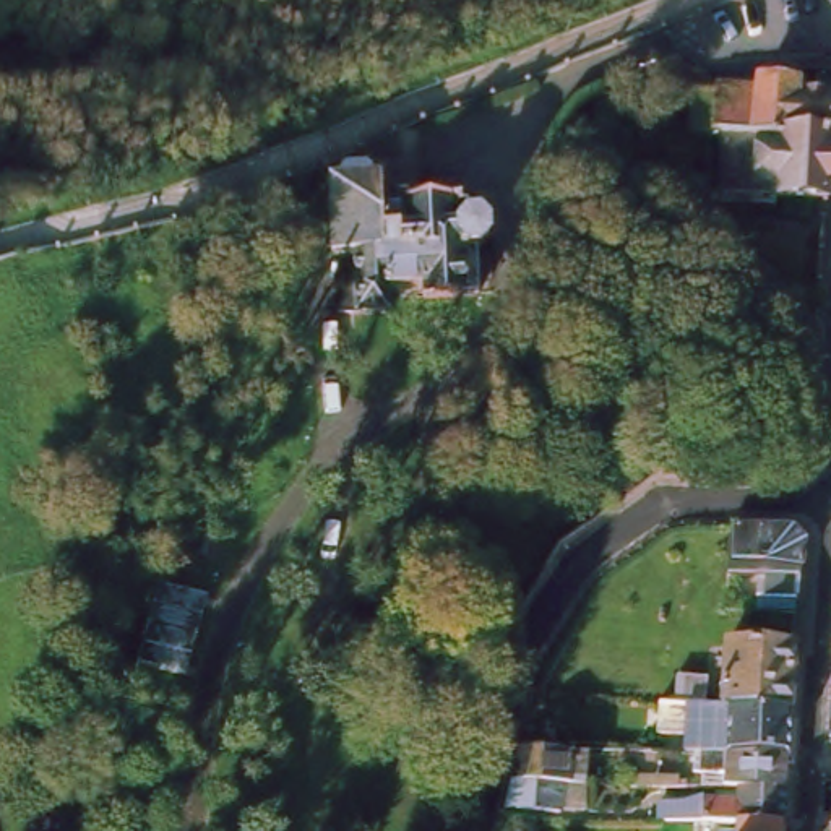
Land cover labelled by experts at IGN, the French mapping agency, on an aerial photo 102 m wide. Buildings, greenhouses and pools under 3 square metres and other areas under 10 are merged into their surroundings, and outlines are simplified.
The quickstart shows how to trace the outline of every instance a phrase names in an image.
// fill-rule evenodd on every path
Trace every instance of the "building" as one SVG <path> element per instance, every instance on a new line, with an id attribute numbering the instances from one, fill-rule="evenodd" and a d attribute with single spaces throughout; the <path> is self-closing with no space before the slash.
<path id="1" fill-rule="evenodd" d="M 782 601 L 799 601 L 808 536 L 795 519 L 734 519 L 730 526 L 730 536 L 724 539 L 727 568 L 750 575 L 753 594 L 760 594 L 769 607 L 779 607 Z"/>
<path id="2" fill-rule="evenodd" d="M 179 584 L 169 571 L 153 571 L 133 594 L 146 597 L 153 614 L 146 617 L 143 646 L 127 636 L 114 649 L 140 672 L 159 665 L 162 672 L 179 675 L 185 672 L 188 649 L 198 639 L 198 617 L 211 610 L 214 594 Z"/>
<path id="3" fill-rule="evenodd" d="M 789 776 L 789 766 L 795 760 L 799 698 L 779 691 L 786 685 L 782 678 L 795 669 L 795 652 L 786 646 L 786 633 L 779 630 L 740 630 L 724 633 L 724 639 L 708 652 L 691 652 L 685 659 L 685 669 L 675 675 L 675 695 L 649 708 L 646 727 L 633 727 L 633 743 L 549 750 L 545 743 L 529 747 L 513 740 L 510 766 L 500 779 L 513 789 L 510 802 L 519 808 L 545 812 L 552 831 L 568 831 L 568 812 L 584 812 L 588 821 L 669 818 L 669 825 L 685 821 L 691 831 L 786 831 L 786 821 L 779 815 L 763 812 L 763 802 L 769 789 L 776 789 Z"/>
<path id="4" fill-rule="evenodd" d="M 831 198 L 831 88 L 786 65 L 763 65 L 753 71 L 753 78 L 727 78 L 704 84 L 701 101 L 711 110 L 711 130 L 724 133 L 743 136 L 750 143 L 756 166 L 773 172 L 779 192 Z"/>
<path id="5" fill-rule="evenodd" d="M 354 256 L 354 266 L 360 269 L 360 282 L 351 286 L 347 299 L 351 318 L 357 312 L 386 312 L 399 299 L 448 302 L 445 289 L 474 292 L 474 286 L 480 286 L 500 263 L 510 266 L 510 256 L 487 237 L 493 224 L 490 201 L 474 198 L 464 185 L 422 182 L 412 185 L 422 217 L 406 221 L 403 214 L 393 214 L 386 208 L 383 166 L 370 156 L 351 156 L 328 172 L 331 198 L 338 201 L 338 214 L 331 221 L 331 250 L 347 250 Z"/>

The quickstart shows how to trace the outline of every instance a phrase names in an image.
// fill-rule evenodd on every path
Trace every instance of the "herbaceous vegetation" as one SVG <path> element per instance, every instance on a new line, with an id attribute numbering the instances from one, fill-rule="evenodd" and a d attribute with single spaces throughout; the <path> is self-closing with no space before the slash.
<path id="1" fill-rule="evenodd" d="M 821 286 L 795 286 L 786 295 L 799 325 L 815 321 L 812 315 L 825 305 Z"/>
<path id="2" fill-rule="evenodd" d="M 247 461 L 240 467 L 247 484 L 256 490 L 253 519 L 263 526 L 289 493 L 292 464 L 312 454 L 318 416 L 325 412 L 318 370 L 308 367 L 263 370 L 263 380 L 286 390 L 286 403 L 276 412 L 269 432 L 260 441 L 247 445 Z"/>
<path id="3" fill-rule="evenodd" d="M 380 364 L 373 364 L 364 383 L 377 396 L 390 399 L 396 399 L 396 393 L 406 386 L 412 354 L 406 344 L 393 347 Z"/>
<path id="4" fill-rule="evenodd" d="M 471 795 L 441 795 L 428 802 L 403 779 L 399 760 L 354 763 L 341 747 L 341 724 L 334 711 L 315 701 L 305 698 L 299 675 L 289 672 L 286 678 L 279 678 L 273 695 L 279 701 L 276 711 L 282 721 L 282 734 L 289 740 L 286 753 L 279 753 L 276 766 L 266 776 L 247 776 L 243 769 L 230 773 L 234 789 L 253 808 L 266 805 L 273 815 L 286 818 L 289 831 L 552 831 L 545 812 L 519 808 L 510 802 L 513 789 L 500 779 Z"/>
<path id="5" fill-rule="evenodd" d="M 214 594 L 247 558 L 253 542 L 211 539 L 205 532 L 201 539 L 192 539 L 185 549 L 175 549 L 175 571 L 169 571 L 179 584 Z"/>
<path id="6" fill-rule="evenodd" d="M 516 575 L 513 601 L 529 584 L 536 584 L 536 575 L 542 571 L 552 545 L 578 519 L 565 503 L 536 490 L 448 490 L 438 484 L 432 493 L 416 493 L 399 513 L 412 529 L 419 529 L 422 523 L 451 529 L 474 526 L 480 545 L 497 545 L 510 558 Z"/>
<path id="7" fill-rule="evenodd" d="M 490 312 L 477 312 L 477 318 L 467 328 L 461 360 L 448 367 L 458 377 L 461 390 L 474 393 L 474 409 L 467 412 L 474 428 L 487 425 L 490 416 L 487 377 L 484 341 L 490 328 Z"/>
<path id="8" fill-rule="evenodd" d="M 16 247 L 0 256 L 0 698 L 19 685 L 19 669 L 39 659 L 42 639 L 29 630 L 26 620 L 16 617 L 16 604 L 32 597 L 26 591 L 23 571 L 45 568 L 52 555 L 62 558 L 65 571 L 88 591 L 84 610 L 75 617 L 78 626 L 94 639 L 110 643 L 114 649 L 127 636 L 133 626 L 133 594 L 153 571 L 146 568 L 140 549 L 114 552 L 97 536 L 65 542 L 58 532 L 49 532 L 42 519 L 36 519 L 29 510 L 16 506 L 10 500 L 10 490 L 19 467 L 32 467 L 45 451 L 55 451 L 55 458 L 75 454 L 94 428 L 110 428 L 127 438 L 133 435 L 149 448 L 156 448 L 159 441 L 169 412 L 153 412 L 146 406 L 146 396 L 169 396 L 182 386 L 182 360 L 179 341 L 169 325 L 169 302 L 159 295 L 156 273 L 136 273 L 133 279 L 120 282 L 123 299 L 88 295 L 78 308 L 71 299 L 62 299 L 62 282 L 78 279 L 75 263 L 36 269 L 29 263 L 39 250 Z M 65 328 L 78 318 L 84 325 L 114 325 L 117 334 L 127 341 L 127 354 L 117 354 L 114 360 L 97 367 L 84 367 L 81 357 L 68 347 L 65 334 Z"/>
<path id="9" fill-rule="evenodd" d="M 584 812 L 568 812 L 568 831 L 691 831 L 685 821 L 669 825 L 669 818 L 588 821 Z"/>
<path id="10" fill-rule="evenodd" d="M 565 101 L 552 114 L 542 136 L 555 140 L 562 120 L 568 120 L 578 107 L 581 117 L 594 127 L 594 133 L 614 140 L 610 149 L 617 162 L 662 166 L 672 172 L 675 185 L 685 195 L 698 198 L 708 185 L 721 188 L 724 182 L 730 143 L 724 140 L 724 133 L 711 130 L 711 110 L 701 101 L 704 84 L 682 84 L 675 91 L 675 104 L 682 110 L 662 120 L 639 120 L 636 114 L 610 101 L 610 88 L 604 78 L 588 81 L 581 75 L 571 88 L 562 88 Z"/>
<path id="11" fill-rule="evenodd" d="M 633 727 L 646 727 L 649 708 L 675 695 L 675 675 L 685 669 L 685 659 L 691 652 L 708 652 L 724 639 L 724 633 L 740 630 L 740 614 L 747 610 L 743 597 L 753 594 L 750 575 L 727 568 L 724 539 L 730 536 L 730 526 L 669 526 L 659 536 L 652 536 L 639 552 L 614 565 L 597 581 L 597 610 L 584 626 L 581 646 L 575 659 L 565 665 L 562 678 L 552 675 L 549 682 L 542 682 L 545 695 L 529 685 L 523 701 L 510 708 L 513 740 L 529 747 L 545 743 L 549 750 L 633 743 Z"/>

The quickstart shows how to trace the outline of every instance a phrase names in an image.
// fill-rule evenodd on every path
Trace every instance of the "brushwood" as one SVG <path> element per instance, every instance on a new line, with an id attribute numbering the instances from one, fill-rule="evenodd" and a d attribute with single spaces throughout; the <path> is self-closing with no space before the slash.
<path id="1" fill-rule="evenodd" d="M 19 188 L 0 198 L 0 227 L 26 224 L 36 214 L 65 214 L 94 201 L 123 201 L 146 192 L 162 192 L 172 182 L 195 179 L 195 172 L 185 162 L 175 162 L 172 156 L 166 156 L 159 169 L 153 169 L 149 159 L 123 159 L 97 175 L 68 182 L 68 188 L 58 195 Z"/>
<path id="2" fill-rule="evenodd" d="M 575 39 L 578 29 L 584 29 L 591 19 L 604 13 L 623 13 L 639 0 L 571 0 L 568 6 L 500 6 L 510 16 L 506 29 L 487 29 L 487 42 L 477 49 L 428 52 L 422 58 L 403 55 L 390 68 L 377 55 L 351 58 L 344 65 L 347 84 L 321 88 L 312 94 L 295 88 L 292 94 L 282 94 L 282 120 L 305 123 L 318 117 L 321 123 L 341 123 L 364 97 L 390 97 L 396 91 L 409 91 L 438 78 L 445 81 L 454 75 L 493 68 L 506 58 L 526 58 L 539 52 L 545 42 Z"/>

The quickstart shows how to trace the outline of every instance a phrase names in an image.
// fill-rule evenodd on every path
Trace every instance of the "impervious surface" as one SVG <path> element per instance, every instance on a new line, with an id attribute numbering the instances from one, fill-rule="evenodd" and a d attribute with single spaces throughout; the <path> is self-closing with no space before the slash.
<path id="1" fill-rule="evenodd" d="M 166 773 L 169 786 L 179 792 L 179 831 L 205 831 L 205 821 L 211 821 L 214 812 L 205 812 L 205 779 L 192 763 L 185 763 L 175 773 Z"/>
<path id="2" fill-rule="evenodd" d="M 724 182 L 721 188 L 708 185 L 698 198 L 711 211 L 730 217 L 734 247 L 747 247 L 760 260 L 760 266 L 779 273 L 786 279 L 786 295 L 795 286 L 821 286 L 825 305 L 812 315 L 815 321 L 825 331 L 825 370 L 831 377 L 831 198 L 779 192 L 773 172 L 756 166 L 750 143 L 743 136 L 724 133 L 724 140 L 730 143 Z"/>
<path id="3" fill-rule="evenodd" d="M 36 214 L 26 224 L 0 227 L 0 256 L 16 247 L 39 250 L 88 240 L 107 230 L 192 217 L 211 205 L 237 205 L 256 201 L 260 185 L 266 179 L 279 179 L 286 188 L 292 188 L 295 201 L 305 201 L 308 214 L 318 221 L 305 234 L 315 240 L 315 266 L 299 282 L 308 295 L 308 321 L 299 334 L 321 338 L 321 344 L 312 347 L 308 367 L 318 370 L 325 412 L 318 416 L 312 454 L 292 464 L 289 493 L 263 526 L 253 542 L 247 558 L 214 594 L 211 610 L 198 617 L 198 639 L 188 649 L 185 672 L 179 675 L 185 685 L 182 691 L 192 698 L 185 727 L 205 753 L 221 753 L 221 730 L 234 708 L 224 698 L 224 675 L 243 656 L 243 623 L 253 604 L 269 591 L 269 571 L 282 562 L 286 536 L 295 529 L 295 519 L 305 510 L 308 497 L 302 493 L 302 487 L 318 471 L 351 467 L 354 458 L 367 448 L 390 451 L 396 461 L 412 448 L 432 451 L 432 445 L 445 435 L 438 403 L 441 396 L 461 390 L 458 377 L 448 367 L 441 373 L 428 373 L 419 390 L 406 386 L 396 393 L 396 399 L 390 399 L 377 396 L 364 383 L 360 399 L 344 399 L 338 383 L 331 383 L 334 370 L 328 367 L 328 347 L 338 347 L 338 331 L 351 325 L 351 318 L 347 299 L 351 286 L 360 282 L 360 269 L 354 266 L 354 256 L 347 250 L 331 250 L 331 221 L 338 214 L 338 201 L 331 198 L 328 172 L 351 156 L 370 156 L 383 166 L 386 208 L 393 214 L 403 214 L 406 221 L 422 217 L 412 185 L 422 182 L 464 185 L 474 198 L 490 201 L 493 224 L 487 237 L 510 256 L 519 247 L 523 234 L 519 179 L 523 169 L 536 159 L 542 136 L 552 114 L 565 101 L 562 88 L 571 88 L 581 75 L 588 81 L 604 78 L 617 65 L 659 58 L 662 75 L 682 84 L 704 84 L 727 78 L 753 78 L 753 71 L 763 65 L 786 65 L 831 88 L 831 0 L 639 0 L 623 13 L 604 13 L 591 19 L 584 29 L 578 29 L 575 39 L 545 42 L 539 52 L 526 58 L 506 58 L 493 68 L 454 75 L 445 81 L 438 78 L 409 91 L 396 91 L 390 97 L 364 97 L 341 123 L 321 123 L 318 117 L 305 123 L 282 120 L 269 127 L 250 149 L 230 153 L 224 159 L 205 159 L 205 166 L 195 172 L 195 179 L 172 182 L 162 192 L 146 192 L 123 201 L 94 201 L 65 214 Z"/>
<path id="4" fill-rule="evenodd" d="M 652 536 L 659 536 L 669 526 L 730 526 L 734 519 L 795 519 L 808 536 L 799 601 L 782 601 L 779 607 L 769 607 L 760 594 L 753 594 L 743 597 L 747 610 L 740 614 L 740 630 L 779 630 L 786 633 L 786 646 L 795 652 L 795 669 L 782 678 L 786 685 L 779 691 L 799 698 L 795 760 L 789 766 L 789 776 L 776 789 L 769 789 L 763 802 L 763 812 L 779 815 L 786 821 L 786 831 L 831 831 L 831 464 L 812 484 L 776 497 L 760 497 L 753 490 L 691 490 L 672 480 L 646 474 L 630 484 L 630 490 L 620 497 L 620 510 L 578 519 L 552 545 L 542 571 L 536 575 L 536 584 L 529 584 L 513 601 L 513 620 L 503 626 L 510 633 L 516 659 L 513 678 L 503 688 L 503 704 L 510 708 L 523 701 L 529 685 L 545 695 L 542 682 L 549 682 L 552 675 L 562 678 L 565 665 L 575 659 L 581 646 L 584 626 L 597 610 L 597 581 L 614 565 L 639 552 Z"/>

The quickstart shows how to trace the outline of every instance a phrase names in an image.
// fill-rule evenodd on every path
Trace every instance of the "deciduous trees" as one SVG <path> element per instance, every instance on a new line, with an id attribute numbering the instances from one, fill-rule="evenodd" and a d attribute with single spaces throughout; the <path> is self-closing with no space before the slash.
<path id="1" fill-rule="evenodd" d="M 88 295 L 123 299 L 120 282 L 133 279 L 136 273 L 156 273 L 159 295 L 169 302 L 185 292 L 192 279 L 198 279 L 201 250 L 214 237 L 227 237 L 230 227 L 237 227 L 237 205 L 211 205 L 192 217 L 107 230 L 88 240 L 39 250 L 29 263 L 36 269 L 75 263 L 78 279 L 62 282 L 62 299 L 71 299 L 78 308 Z"/>
<path id="2" fill-rule="evenodd" d="M 594 133 L 594 127 L 581 117 L 578 107 L 568 120 L 562 120 L 555 140 L 542 136 L 536 159 L 523 169 L 519 179 L 523 234 L 519 247 L 510 256 L 510 266 L 500 263 L 480 286 L 474 286 L 474 292 L 445 289 L 448 302 L 399 299 L 386 312 L 357 312 L 351 318 L 351 325 L 338 331 L 338 347 L 328 347 L 328 367 L 334 370 L 331 383 L 338 383 L 344 399 L 360 399 L 364 383 L 373 364 L 380 364 L 393 347 L 406 344 L 412 354 L 406 386 L 419 390 L 428 373 L 441 373 L 448 367 L 461 360 L 467 328 L 477 318 L 477 312 L 490 312 L 490 328 L 484 341 L 487 377 L 503 370 L 506 380 L 529 396 L 529 412 L 516 412 L 506 406 L 497 416 L 490 416 L 487 425 L 474 428 L 467 412 L 474 409 L 474 393 L 461 390 L 441 396 L 438 403 L 445 435 L 432 445 L 432 451 L 412 448 L 396 461 L 390 451 L 367 448 L 354 458 L 351 467 L 318 471 L 302 487 L 302 493 L 308 497 L 305 510 L 295 519 L 295 529 L 286 536 L 282 562 L 269 571 L 269 591 L 253 604 L 243 623 L 243 656 L 224 675 L 224 698 L 234 708 L 221 730 L 221 753 L 205 753 L 185 727 L 192 698 L 182 691 L 185 685 L 179 675 L 162 672 L 159 665 L 140 672 L 114 649 L 110 643 L 94 639 L 78 626 L 75 617 L 84 610 L 88 591 L 65 571 L 62 558 L 52 555 L 45 568 L 23 571 L 26 591 L 32 597 L 16 604 L 16 617 L 26 620 L 29 630 L 42 639 L 39 659 L 19 669 L 19 685 L 0 698 L 0 831 L 179 831 L 179 792 L 169 786 L 166 773 L 175 773 L 185 763 L 192 763 L 205 779 L 205 812 L 214 812 L 211 821 L 205 821 L 205 831 L 289 831 L 286 818 L 273 815 L 266 805 L 253 808 L 234 789 L 230 773 L 243 769 L 247 776 L 266 776 L 276 766 L 279 753 L 286 753 L 289 740 L 282 734 L 282 721 L 276 711 L 279 701 L 273 695 L 279 678 L 286 678 L 289 672 L 299 675 L 305 698 L 315 701 L 321 698 L 321 691 L 338 688 L 338 675 L 351 675 L 354 649 L 364 643 L 373 617 L 399 584 L 399 549 L 409 542 L 412 529 L 399 513 L 416 493 L 432 493 L 438 484 L 448 490 L 536 490 L 565 503 L 578 519 L 620 510 L 620 497 L 630 490 L 630 484 L 614 438 L 617 422 L 623 419 L 620 393 L 623 386 L 639 380 L 665 383 L 669 377 L 675 377 L 669 383 L 669 422 L 675 432 L 672 448 L 678 448 L 678 467 L 672 471 L 672 480 L 691 490 L 753 490 L 760 497 L 776 497 L 812 484 L 831 464 L 831 377 L 825 370 L 825 331 L 815 321 L 799 325 L 786 295 L 786 279 L 779 273 L 760 266 L 760 260 L 747 247 L 734 247 L 730 217 L 711 211 L 698 198 L 685 195 L 675 185 L 672 172 L 662 166 L 617 162 L 610 149 L 614 140 Z M 101 714 L 104 721 L 110 721 L 117 727 L 117 737 L 133 750 L 120 760 L 114 792 L 101 792 L 97 799 L 78 805 L 62 802 L 32 776 L 32 743 L 58 734 L 62 727 L 71 730 L 84 714 Z"/>
<path id="3" fill-rule="evenodd" d="M 159 441 L 156 448 L 149 448 L 133 435 L 127 438 L 123 454 L 140 458 L 143 477 L 133 480 L 130 493 L 117 493 L 114 526 L 97 536 L 114 552 L 140 549 L 146 568 L 153 571 L 169 571 L 175 571 L 175 549 L 185 549 L 192 539 L 201 539 L 205 532 L 211 539 L 253 542 L 263 526 L 253 519 L 256 490 L 247 484 L 240 467 L 247 461 L 247 445 L 260 441 L 269 432 L 276 412 L 286 403 L 286 390 L 263 380 L 263 370 L 308 367 L 312 347 L 321 344 L 321 338 L 299 334 L 308 321 L 308 295 L 299 282 L 250 292 L 224 286 L 221 295 L 234 305 L 224 315 L 221 331 L 179 341 L 182 360 L 188 357 L 195 364 L 195 373 L 205 386 L 205 393 L 195 396 L 188 409 L 195 435 L 172 438 L 169 445 Z"/>
<path id="4" fill-rule="evenodd" d="M 97 367 L 114 360 L 117 354 L 127 354 L 127 341 L 117 334 L 114 325 L 84 325 L 78 318 L 65 328 L 65 334 L 68 347 L 81 357 L 84 367 Z"/>
<path id="5" fill-rule="evenodd" d="M 133 594 L 133 626 L 127 636 L 143 646 L 146 617 L 153 614 L 146 597 Z"/>

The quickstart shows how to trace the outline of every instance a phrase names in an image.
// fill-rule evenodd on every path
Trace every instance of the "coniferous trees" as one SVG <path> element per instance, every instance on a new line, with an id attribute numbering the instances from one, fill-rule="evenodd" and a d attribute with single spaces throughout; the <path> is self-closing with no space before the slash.
<path id="1" fill-rule="evenodd" d="M 169 325 L 179 341 L 221 331 L 224 315 L 234 305 L 221 295 L 224 286 L 250 292 L 299 282 L 315 266 L 315 240 L 305 234 L 318 221 L 308 214 L 305 201 L 295 201 L 292 188 L 286 188 L 279 179 L 266 179 L 260 185 L 256 201 L 237 205 L 237 227 L 230 227 L 227 237 L 214 237 L 201 250 L 198 279 L 192 279 L 185 292 L 169 302 Z"/>
<path id="2" fill-rule="evenodd" d="M 373 617 L 364 643 L 354 649 L 351 675 L 338 675 L 338 688 L 321 691 L 321 698 L 315 701 L 334 711 L 341 724 L 341 747 L 354 763 L 399 760 L 403 779 L 428 802 L 441 795 L 471 795 L 500 779 L 510 766 L 513 740 L 510 708 L 503 704 L 503 688 L 513 678 L 516 659 L 510 633 L 503 626 L 513 620 L 513 601 L 516 575 L 510 558 L 497 545 L 480 545 L 474 526 L 451 529 L 422 523 L 419 529 L 412 529 L 409 542 L 399 549 L 399 584 Z"/>
<path id="3" fill-rule="evenodd" d="M 682 110 L 675 104 L 675 91 L 682 84 L 662 75 L 659 58 L 617 65 L 604 78 L 610 88 L 610 101 L 636 114 L 639 120 L 662 120 Z"/>
<path id="4" fill-rule="evenodd" d="M 169 412 L 159 441 L 169 445 L 172 438 L 195 435 L 188 409 L 195 396 L 205 393 L 205 386 L 195 373 L 195 364 L 188 357 L 182 360 L 182 386 L 169 396 L 146 396 L 146 406 L 153 412 Z"/>
<path id="5" fill-rule="evenodd" d="M 617 422 L 614 438 L 630 484 L 646 474 L 672 480 L 672 471 L 678 467 L 678 448 L 672 448 L 675 432 L 669 422 L 669 383 L 675 377 L 669 377 L 665 383 L 639 380 L 623 386 L 620 393 L 623 419 Z"/>
<path id="6" fill-rule="evenodd" d="M 94 428 L 75 454 L 55 458 L 55 451 L 45 451 L 32 467 L 19 467 L 10 490 L 10 500 L 16 506 L 29 510 L 36 519 L 42 519 L 49 532 L 58 532 L 65 542 L 97 536 L 114 526 L 117 493 L 130 493 L 133 480 L 143 477 L 140 458 L 123 454 L 127 438 L 110 428 Z"/>
<path id="7" fill-rule="evenodd" d="M 84 714 L 71 730 L 62 727 L 58 734 L 32 743 L 32 776 L 62 802 L 78 805 L 97 799 L 101 792 L 114 792 L 120 760 L 133 750 L 117 737 L 117 727 L 110 721 L 104 721 L 101 714 Z"/>
<path id="8" fill-rule="evenodd" d="M 497 416 L 506 406 L 516 412 L 529 412 L 529 396 L 506 380 L 503 370 L 487 377 L 490 416 Z"/>
<path id="9" fill-rule="evenodd" d="M 0 0 L 0 198 L 19 188 L 58 195 L 68 188 L 68 182 L 97 175 L 123 159 L 149 159 L 153 169 L 159 169 L 166 156 L 172 156 L 175 162 L 185 162 L 195 172 L 205 166 L 205 159 L 224 159 L 230 153 L 250 149 L 269 127 L 282 120 L 282 94 L 292 94 L 295 88 L 312 94 L 321 88 L 347 84 L 344 65 L 351 58 L 377 55 L 390 68 L 403 55 L 422 58 L 428 52 L 477 49 L 487 42 L 487 29 L 506 29 L 510 16 L 500 6 L 568 6 L 571 0 Z"/>

